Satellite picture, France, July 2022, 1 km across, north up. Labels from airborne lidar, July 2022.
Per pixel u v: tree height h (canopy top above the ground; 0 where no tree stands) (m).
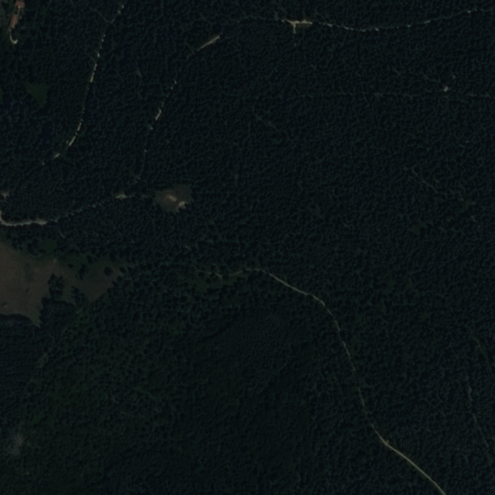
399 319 12
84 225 24
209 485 9
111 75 25
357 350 13
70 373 6
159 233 22
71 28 28
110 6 22
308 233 20
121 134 21
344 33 24
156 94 21
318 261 19
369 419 12
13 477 17
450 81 13
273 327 23
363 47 10
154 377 16
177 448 15
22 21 13
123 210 23
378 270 10
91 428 16
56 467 22
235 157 21
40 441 16
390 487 29
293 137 22
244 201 20
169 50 21
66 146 26
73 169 14
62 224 20
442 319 18
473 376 25
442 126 15
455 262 20
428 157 21
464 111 17
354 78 16
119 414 19
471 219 24
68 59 20
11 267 0
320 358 15
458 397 25
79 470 18
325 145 21
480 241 11
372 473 28
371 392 18
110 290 13
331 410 7
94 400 10
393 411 16
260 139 10
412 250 18
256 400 11
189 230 21
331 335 20
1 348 20
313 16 14
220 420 17
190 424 30
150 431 12
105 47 21
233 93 24
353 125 15
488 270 21
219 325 13
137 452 9
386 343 12
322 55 18
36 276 0
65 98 20
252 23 19
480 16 17
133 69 20
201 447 34
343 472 23
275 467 16
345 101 14
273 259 13
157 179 21
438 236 18
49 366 10
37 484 20
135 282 11
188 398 14
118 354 8
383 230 22
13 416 9
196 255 24
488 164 19
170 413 11
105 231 23
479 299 15
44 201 22
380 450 26
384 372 19
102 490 10
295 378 15
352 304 17
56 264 0
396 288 9
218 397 18
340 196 9
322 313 17
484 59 22
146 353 21
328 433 18
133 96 18
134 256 24
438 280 22
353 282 18
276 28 18
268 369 32
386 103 19
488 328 21
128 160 21
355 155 25
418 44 21
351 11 24
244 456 17
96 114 26
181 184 21
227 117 15
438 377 21
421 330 13
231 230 20
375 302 23
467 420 23
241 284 14
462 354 30
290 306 16
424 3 32
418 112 21
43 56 27
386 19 25
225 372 19
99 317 8
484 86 19
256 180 20
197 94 19
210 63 24
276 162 24
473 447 18
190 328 24
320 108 17
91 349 8
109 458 18
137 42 23
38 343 25
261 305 19
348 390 14
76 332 7
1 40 7
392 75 23
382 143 13
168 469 16
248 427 20
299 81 26
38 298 0
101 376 8
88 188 20
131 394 18
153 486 16
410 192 23
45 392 11
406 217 21
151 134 22
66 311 18
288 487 24
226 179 14
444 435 26
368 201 24
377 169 18
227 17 19
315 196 17
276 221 9
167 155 21
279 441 23
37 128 41
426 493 23
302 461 18
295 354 26
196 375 24
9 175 39
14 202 20
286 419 22
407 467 29
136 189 23
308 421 20
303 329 22
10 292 0
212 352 22
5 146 44
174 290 6
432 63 18
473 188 22
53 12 13
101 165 22
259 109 19
